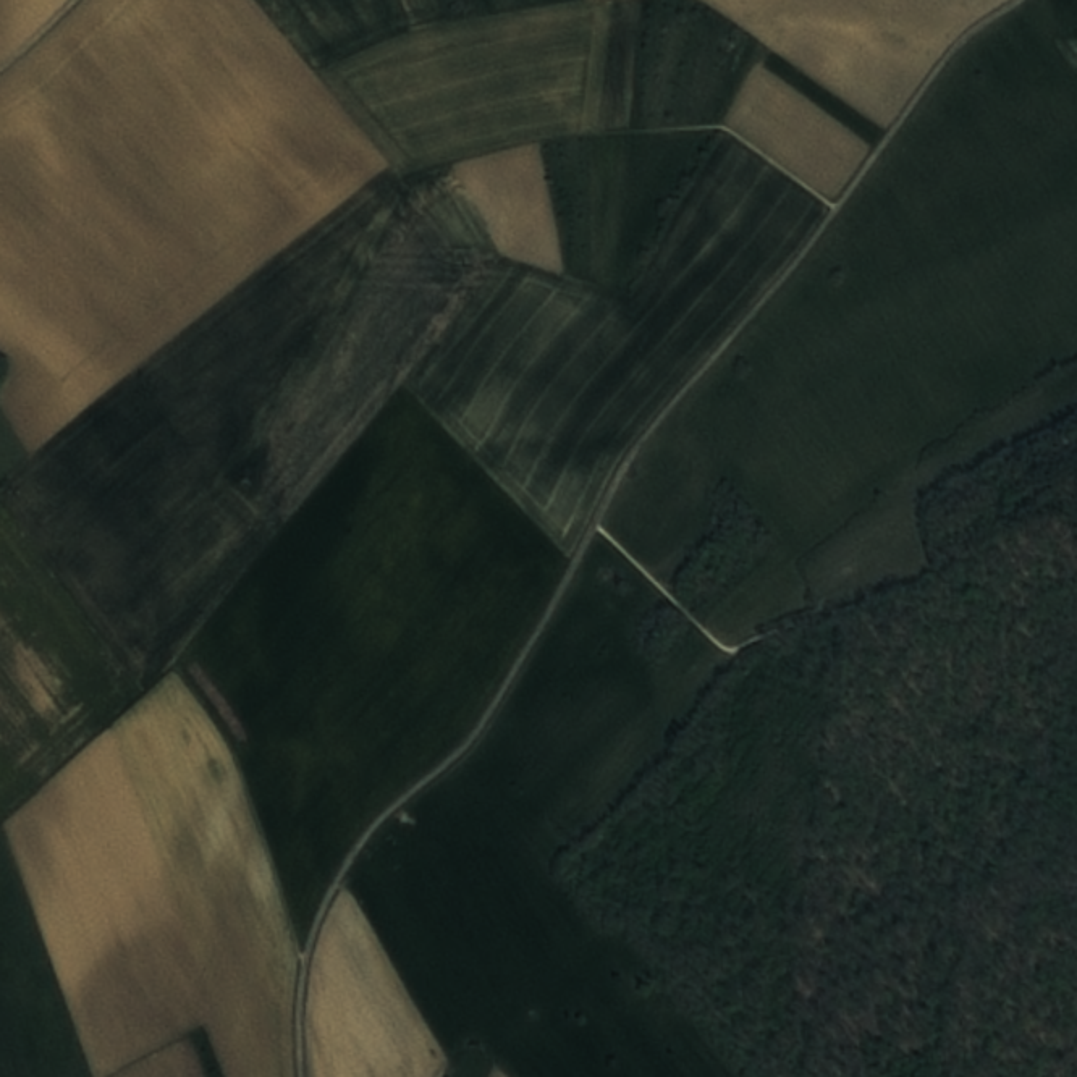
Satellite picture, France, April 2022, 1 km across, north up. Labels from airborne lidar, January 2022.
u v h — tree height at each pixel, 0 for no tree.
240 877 0
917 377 0
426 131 0
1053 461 19
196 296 0
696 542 0
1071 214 0
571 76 0
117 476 0
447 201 0
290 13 0
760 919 22
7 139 0
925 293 0
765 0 0
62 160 0
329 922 0
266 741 0
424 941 0
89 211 0
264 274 0
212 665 0
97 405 0
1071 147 0
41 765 0
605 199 0
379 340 0
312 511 0
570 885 15
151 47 0
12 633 0
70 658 0
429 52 0
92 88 0
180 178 0
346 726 0
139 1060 0
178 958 0
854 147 0
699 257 0
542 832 0
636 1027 0
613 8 0
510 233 0
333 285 0
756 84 0
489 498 0
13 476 0
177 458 0
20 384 0
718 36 0
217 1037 0
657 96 0
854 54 0
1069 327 0
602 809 0
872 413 0
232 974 0
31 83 0
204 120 0
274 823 0
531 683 0
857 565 0
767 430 0
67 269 0
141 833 0
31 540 0
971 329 0
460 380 0
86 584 0
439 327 0
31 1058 0
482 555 0
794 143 0
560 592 0
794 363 0
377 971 0
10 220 0
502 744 0
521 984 0
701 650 0
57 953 0
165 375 0
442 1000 0
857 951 26
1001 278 0
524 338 0
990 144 0
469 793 0
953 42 0
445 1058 0
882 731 22
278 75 0
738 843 6
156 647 0
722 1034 15
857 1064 25
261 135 0
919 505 8
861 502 0
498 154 0
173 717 0
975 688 23
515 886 0
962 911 29
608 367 0
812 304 0
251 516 0
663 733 0
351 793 0
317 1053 0
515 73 0
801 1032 23
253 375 0
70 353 0
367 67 0
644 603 0
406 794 0
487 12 0
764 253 0
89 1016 0
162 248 0
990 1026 24
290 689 0
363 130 0
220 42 0
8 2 0
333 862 0
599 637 0
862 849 25
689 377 0
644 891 17
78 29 0
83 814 0
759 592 0
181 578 0
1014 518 14
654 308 0
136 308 0
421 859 0
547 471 0
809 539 0
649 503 0
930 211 0
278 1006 0
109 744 0
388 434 0
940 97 0
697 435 0
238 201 0
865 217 0
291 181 0
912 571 0
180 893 0
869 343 0
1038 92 0
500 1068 0
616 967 0
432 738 0
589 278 0
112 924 0
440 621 0
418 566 0
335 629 0
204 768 0
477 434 0
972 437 0
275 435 0
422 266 0
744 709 16
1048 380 15
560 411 0
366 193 0
